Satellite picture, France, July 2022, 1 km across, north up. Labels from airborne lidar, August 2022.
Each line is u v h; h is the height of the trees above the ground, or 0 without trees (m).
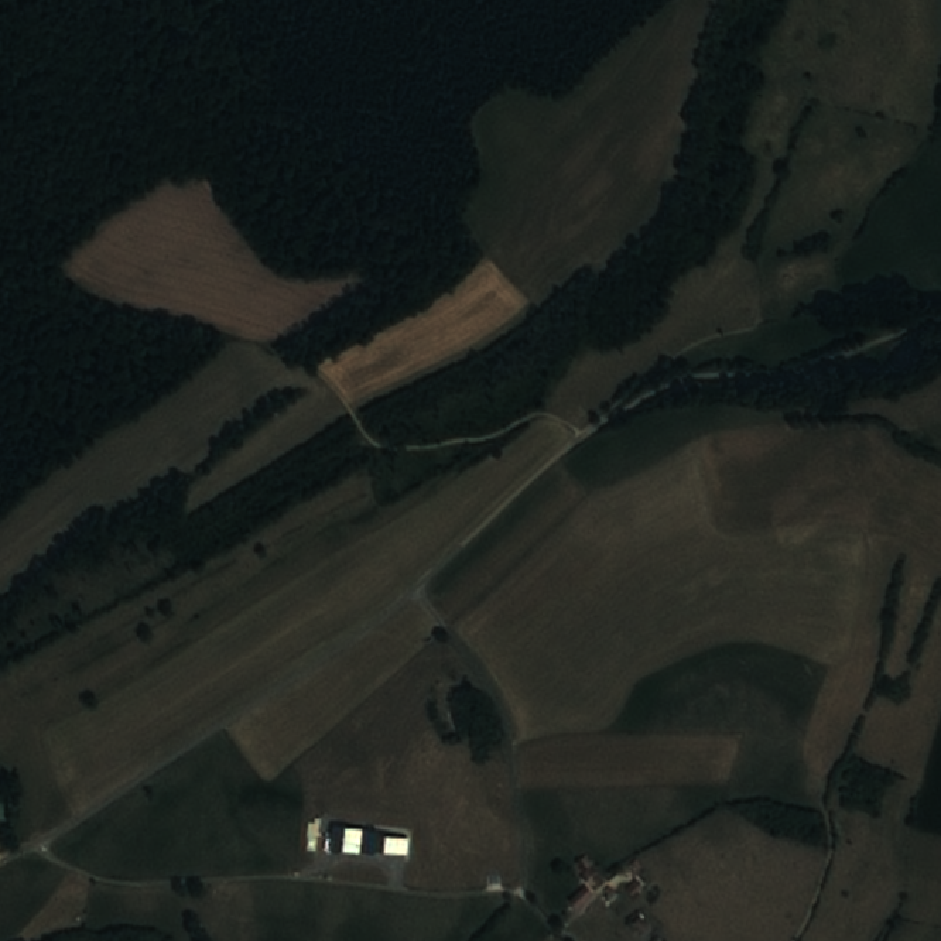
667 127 0
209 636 0
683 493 0
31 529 0
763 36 27
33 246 18
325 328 24
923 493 0
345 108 18
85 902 0
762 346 0
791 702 0
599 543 0
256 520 10
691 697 0
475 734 8
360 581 0
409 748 0
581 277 14
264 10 18
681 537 0
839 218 12
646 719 0
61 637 7
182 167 16
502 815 0
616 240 0
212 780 0
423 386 7
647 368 0
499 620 0
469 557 0
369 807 0
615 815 0
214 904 0
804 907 0
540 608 0
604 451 0
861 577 0
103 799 0
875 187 0
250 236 20
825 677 0
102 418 28
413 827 0
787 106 0
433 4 17
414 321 0
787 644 0
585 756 0
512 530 0
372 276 20
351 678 0
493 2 15
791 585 0
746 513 0
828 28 0
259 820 0
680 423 0
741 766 0
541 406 11
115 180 19
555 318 15
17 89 28
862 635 0
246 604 0
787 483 0
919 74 0
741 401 9
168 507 17
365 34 18
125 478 0
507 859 0
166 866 0
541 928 0
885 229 0
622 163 0
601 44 22
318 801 0
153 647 0
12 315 24
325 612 0
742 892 0
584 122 0
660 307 22
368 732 0
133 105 21
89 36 17
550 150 0
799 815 9
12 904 0
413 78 18
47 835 0
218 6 19
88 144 19
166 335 24
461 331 0
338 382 0
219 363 0
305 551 0
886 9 0
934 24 0
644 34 0
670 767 0
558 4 20
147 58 19
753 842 0
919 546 0
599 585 0
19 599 16
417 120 23
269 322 0
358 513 0
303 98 19
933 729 0
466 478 0
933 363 23
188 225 0
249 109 22
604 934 0
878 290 21
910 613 0
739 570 0
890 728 0
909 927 0
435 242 11
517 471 0
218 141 22
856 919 0
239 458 0
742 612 0
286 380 0
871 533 0
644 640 0
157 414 0
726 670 0
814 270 0
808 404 15
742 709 0
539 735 0
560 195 0
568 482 0
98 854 0
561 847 0
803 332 0
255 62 22
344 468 9
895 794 0
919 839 0
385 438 7
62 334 28
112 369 29
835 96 0
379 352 0
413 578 0
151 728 0
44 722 0
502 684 0
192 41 27
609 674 0
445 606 0
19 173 19
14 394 30
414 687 0
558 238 0
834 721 0
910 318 21
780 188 8
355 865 0
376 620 0
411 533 0
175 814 0
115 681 0
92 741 0
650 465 0
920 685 0
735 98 32
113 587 0
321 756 0
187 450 0
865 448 0
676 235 23
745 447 0
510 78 16
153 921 0
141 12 24
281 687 0
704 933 0
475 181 17
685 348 0
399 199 23
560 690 0
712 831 0
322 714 0
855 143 0
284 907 0
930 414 0
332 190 21
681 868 0
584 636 0
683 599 0
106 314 23
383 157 23
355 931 0
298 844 0
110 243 0
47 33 21
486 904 0
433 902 0
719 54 30
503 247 0
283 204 27
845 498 0
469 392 6
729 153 19
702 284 0
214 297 0
